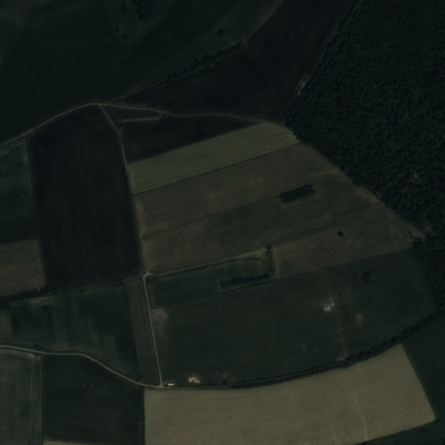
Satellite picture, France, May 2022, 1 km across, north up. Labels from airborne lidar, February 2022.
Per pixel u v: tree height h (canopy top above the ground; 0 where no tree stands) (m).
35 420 0
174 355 0
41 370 0
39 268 0
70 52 0
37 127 0
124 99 0
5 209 0
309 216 0
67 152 0
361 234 0
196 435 0
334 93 24
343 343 0
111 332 0
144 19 28
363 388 0
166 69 0
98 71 0
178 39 0
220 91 0
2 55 0
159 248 0
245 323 0
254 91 0
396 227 0
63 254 0
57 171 0
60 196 0
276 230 0
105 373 0
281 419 0
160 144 0
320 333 0
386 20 21
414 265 0
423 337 0
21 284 0
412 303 0
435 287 11
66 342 0
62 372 0
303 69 0
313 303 0
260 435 0
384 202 10
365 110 27
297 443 0
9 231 0
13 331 0
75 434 0
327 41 0
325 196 0
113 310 0
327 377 0
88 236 0
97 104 0
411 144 26
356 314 0
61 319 0
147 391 0
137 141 0
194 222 0
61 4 0
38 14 0
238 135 0
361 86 29
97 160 0
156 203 0
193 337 0
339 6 0
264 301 0
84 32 0
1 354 0
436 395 0
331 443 0
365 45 21
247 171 0
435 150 23
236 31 0
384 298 0
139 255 0
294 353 0
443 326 0
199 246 0
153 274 0
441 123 26
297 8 0
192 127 0
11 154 0
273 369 0
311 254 0
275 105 0
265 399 0
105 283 0
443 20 22
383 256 0
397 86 23
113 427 0
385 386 0
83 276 0
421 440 0
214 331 0
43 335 0
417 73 23
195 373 0
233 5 0
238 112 0
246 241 0
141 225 0
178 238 0
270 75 0
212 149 0
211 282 0
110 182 0
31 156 0
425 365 0
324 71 15
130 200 0
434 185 27
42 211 0
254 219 0
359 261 0
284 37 0
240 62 0
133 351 0
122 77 0
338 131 29
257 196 0
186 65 0
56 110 0
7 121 0
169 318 0
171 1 0
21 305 0
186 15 0
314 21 0
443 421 0
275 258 0
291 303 0
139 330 0
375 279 0
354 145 23
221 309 0
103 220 0
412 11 21
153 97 0
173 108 0
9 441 0
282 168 0
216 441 0
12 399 0
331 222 0
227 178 0
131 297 0
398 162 29
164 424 0
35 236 0
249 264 0
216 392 0
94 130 0
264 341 0
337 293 0
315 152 0
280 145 0
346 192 0
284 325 0
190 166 0
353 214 0
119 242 0
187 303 0
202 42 0
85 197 0
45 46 0
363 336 0
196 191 0
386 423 0
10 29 0
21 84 0
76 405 0
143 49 0
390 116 19
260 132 0
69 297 0
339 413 0
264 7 0
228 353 0
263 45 0
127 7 15
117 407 0
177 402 0
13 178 0
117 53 0
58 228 0
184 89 0
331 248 0
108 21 0
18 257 0
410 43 23
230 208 0
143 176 0
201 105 0
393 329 0
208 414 0
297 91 0
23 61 0
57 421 0
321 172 0
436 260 15
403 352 0
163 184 0
